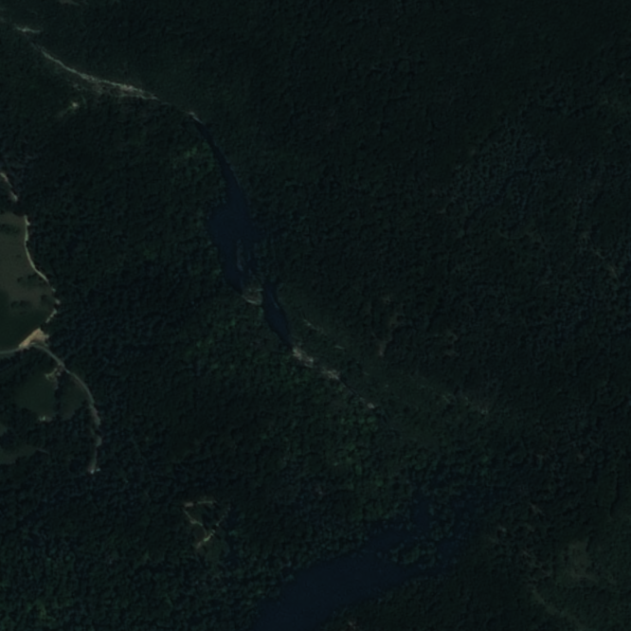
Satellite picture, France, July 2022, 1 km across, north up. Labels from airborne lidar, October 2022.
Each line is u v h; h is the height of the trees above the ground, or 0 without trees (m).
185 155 16
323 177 10
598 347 20
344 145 27
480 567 18
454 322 21
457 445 18
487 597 20
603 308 23
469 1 19
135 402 26
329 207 24
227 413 22
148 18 13
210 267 18
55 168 27
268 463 28
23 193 20
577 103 15
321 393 10
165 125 19
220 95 8
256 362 12
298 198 11
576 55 18
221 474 35
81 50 9
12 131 20
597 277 20
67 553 30
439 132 29
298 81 25
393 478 7
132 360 28
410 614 22
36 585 29
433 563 30
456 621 19
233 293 20
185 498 30
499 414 13
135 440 24
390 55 21
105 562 35
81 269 10
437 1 27
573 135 15
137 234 21
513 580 24
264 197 16
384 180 21
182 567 10
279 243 11
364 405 17
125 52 12
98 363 24
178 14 9
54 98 9
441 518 26
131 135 23
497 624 23
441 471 12
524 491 22
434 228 12
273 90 18
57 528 35
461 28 16
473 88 23
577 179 24
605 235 17
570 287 6
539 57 16
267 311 10
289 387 14
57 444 28
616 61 18
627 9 18
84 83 7
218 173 18
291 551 25
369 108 24
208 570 29
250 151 10
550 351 22
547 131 14
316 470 23
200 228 6
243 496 30
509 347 17
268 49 22
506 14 18
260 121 10
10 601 29
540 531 18
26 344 0
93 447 19
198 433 26
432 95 24
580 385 24
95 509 30
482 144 6
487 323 21
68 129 20
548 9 17
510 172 14
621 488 18
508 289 19
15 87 6
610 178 21
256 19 12
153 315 11
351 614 14
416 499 24
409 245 13
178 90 6
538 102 25
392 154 21
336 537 25
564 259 16
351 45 20
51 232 16
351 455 18
